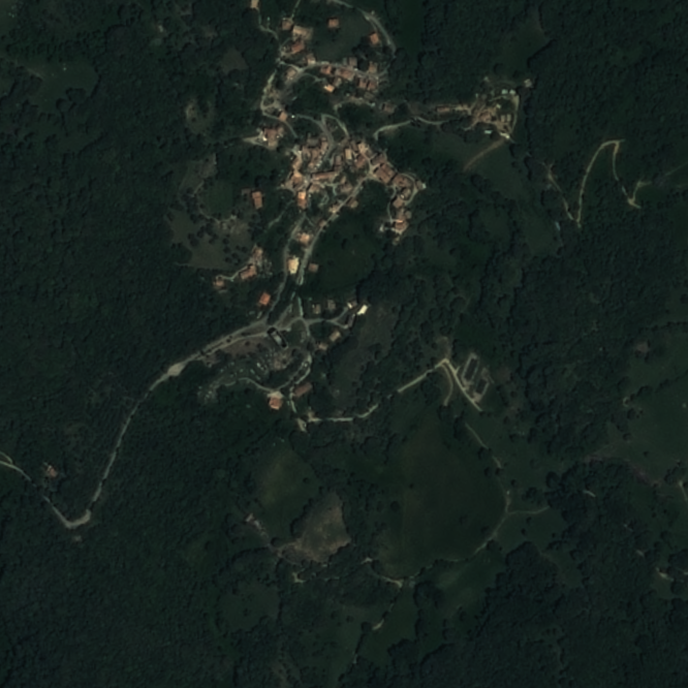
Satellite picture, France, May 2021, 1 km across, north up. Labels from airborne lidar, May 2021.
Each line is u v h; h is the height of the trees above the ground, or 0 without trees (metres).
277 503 0
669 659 17
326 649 6
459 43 9
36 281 8
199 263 0
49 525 11
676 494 0
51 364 12
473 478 0
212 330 13
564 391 12
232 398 8
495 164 0
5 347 11
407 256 11
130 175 11
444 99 13
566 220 6
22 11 7
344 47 0
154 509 9
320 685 11
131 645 6
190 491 13
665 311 16
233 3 11
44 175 14
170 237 14
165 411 9
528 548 15
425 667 13
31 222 13
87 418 9
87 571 13
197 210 7
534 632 13
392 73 8
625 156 9
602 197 10
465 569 0
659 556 14
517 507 0
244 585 12
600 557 10
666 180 12
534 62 15
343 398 0
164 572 11
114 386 10
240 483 9
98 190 14
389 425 6
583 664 14
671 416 0
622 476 13
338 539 0
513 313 12
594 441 15
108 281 13
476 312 10
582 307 11
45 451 9
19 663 10
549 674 12
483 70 14
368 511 8
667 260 16
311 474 0
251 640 10
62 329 13
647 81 12
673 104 13
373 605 9
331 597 17
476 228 12
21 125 8
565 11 16
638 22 9
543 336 10
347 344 11
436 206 10
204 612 6
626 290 11
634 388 0
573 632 12
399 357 10
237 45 11
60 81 0
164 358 14
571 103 11
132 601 14
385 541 0
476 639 12
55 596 10
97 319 14
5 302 12
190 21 8
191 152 15
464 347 16
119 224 9
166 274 11
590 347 15
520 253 15
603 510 11
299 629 14
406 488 0
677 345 0
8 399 10
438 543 0
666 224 15
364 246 0
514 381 11
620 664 15
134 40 15
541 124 11
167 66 18
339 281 0
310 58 0
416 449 0
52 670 6
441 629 0
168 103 15
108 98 13
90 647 8
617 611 16
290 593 8
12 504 14
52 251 11
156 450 16
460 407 0
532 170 16
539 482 0
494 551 12
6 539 18
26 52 10
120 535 13
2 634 7
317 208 7
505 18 11
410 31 0
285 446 0
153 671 14
